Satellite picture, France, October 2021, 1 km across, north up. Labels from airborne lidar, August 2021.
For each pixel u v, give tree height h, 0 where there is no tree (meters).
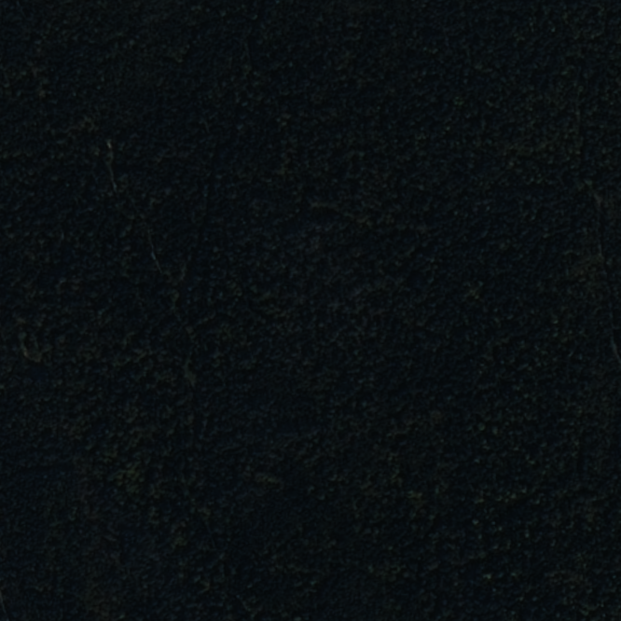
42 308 19
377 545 13
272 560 19
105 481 17
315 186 14
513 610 17
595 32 24
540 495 17
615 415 13
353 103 15
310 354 29
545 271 21
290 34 12
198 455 22
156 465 23
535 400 10
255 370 7
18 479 27
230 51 18
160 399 13
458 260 23
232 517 13
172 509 16
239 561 16
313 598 23
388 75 16
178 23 11
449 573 27
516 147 18
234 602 10
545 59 27
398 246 22
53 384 17
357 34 16
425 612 12
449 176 26
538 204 27
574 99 22
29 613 19
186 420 20
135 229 14
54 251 21
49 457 25
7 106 10
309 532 22
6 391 28
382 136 19
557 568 18
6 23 9
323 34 17
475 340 22
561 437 19
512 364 9
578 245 18
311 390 12
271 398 12
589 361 12
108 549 18
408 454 13
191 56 22
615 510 29
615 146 24
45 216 7
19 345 22
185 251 7
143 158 22
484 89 30
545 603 17
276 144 12
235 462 20
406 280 11
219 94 21
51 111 22
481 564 14
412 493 20
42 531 23
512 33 14
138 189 13
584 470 18
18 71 18
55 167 9
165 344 14
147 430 16
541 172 28
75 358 15
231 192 30
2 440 28
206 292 31
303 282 12
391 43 14
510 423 19
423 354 15
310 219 14
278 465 10
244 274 10
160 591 20
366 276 11
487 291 26
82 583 20
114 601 14
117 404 12
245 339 12
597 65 23
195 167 22
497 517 13
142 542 15
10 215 18
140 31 16
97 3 21
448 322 27
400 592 19
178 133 16
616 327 19
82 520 24
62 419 15
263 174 11
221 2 20
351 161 12
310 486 19
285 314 22
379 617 20
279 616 17
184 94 13
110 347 15
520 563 19
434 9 25
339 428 26
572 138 14
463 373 29
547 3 22
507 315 26
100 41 22
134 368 10
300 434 27
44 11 17
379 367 14
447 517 13
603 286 15
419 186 23
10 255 20
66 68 20
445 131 8
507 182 15
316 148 17
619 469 22
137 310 23
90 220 23
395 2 10
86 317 11
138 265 26
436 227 25
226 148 14
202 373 23
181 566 19
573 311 14
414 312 27
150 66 18
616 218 12
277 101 13
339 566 21
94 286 19
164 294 23
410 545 16
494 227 27
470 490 20
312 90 22
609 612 18
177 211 13
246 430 12
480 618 28
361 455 21
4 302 14
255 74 15
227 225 26
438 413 22
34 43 20
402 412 26
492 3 21
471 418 29
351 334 28
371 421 8
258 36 26
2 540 23
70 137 20
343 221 13
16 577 16
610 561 22
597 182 22
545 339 20
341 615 14
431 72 27
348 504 17
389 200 10
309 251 23
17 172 19
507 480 24
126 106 10
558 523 22
